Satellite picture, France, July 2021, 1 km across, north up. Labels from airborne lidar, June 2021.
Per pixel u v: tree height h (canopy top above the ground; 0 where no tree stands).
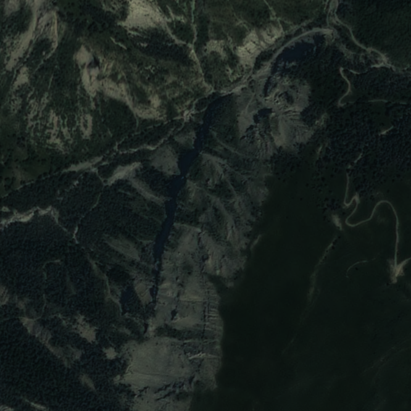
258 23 9
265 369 0
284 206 0
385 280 0
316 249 0
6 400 13
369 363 0
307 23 0
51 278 6
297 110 0
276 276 0
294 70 10
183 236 0
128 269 9
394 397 0
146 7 0
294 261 0
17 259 19
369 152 7
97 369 10
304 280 0
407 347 0
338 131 8
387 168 6
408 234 0
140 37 6
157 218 0
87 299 18
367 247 0
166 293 0
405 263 0
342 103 0
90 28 13
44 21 0
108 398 6
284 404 0
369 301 0
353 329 0
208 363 0
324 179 11
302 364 0
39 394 7
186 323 0
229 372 0
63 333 9
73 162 8
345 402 0
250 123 0
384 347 0
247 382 0
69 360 5
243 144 0
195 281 0
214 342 0
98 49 0
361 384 0
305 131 0
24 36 0
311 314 0
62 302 9
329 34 0
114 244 0
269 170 0
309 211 0
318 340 0
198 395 0
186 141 0
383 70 6
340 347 0
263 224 0
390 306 0
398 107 14
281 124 0
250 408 0
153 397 0
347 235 0
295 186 0
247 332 0
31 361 13
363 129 10
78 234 9
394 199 0
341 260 0
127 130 12
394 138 18
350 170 12
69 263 13
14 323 14
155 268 0
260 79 0
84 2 7
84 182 7
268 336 0
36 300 12
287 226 0
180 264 0
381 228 0
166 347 0
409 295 0
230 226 0
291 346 0
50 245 14
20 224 7
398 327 0
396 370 0
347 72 6
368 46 12
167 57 10
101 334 9
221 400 0
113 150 7
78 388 7
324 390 0
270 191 0
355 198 0
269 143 0
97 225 10
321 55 17
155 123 7
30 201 9
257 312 0
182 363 0
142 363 0
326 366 0
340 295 0
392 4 9
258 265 0
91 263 10
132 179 0
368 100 8
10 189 13
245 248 0
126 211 13
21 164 7
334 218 0
